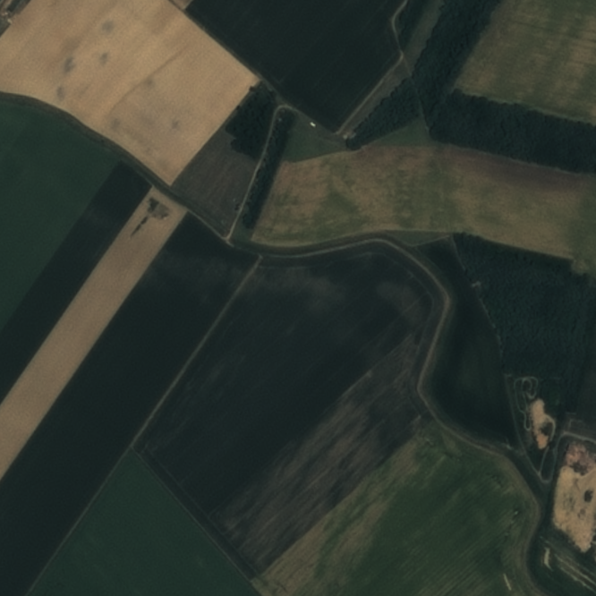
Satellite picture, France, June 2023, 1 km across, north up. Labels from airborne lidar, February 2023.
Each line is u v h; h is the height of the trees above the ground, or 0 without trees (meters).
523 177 0
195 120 0
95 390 0
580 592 0
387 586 0
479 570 0
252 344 0
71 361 0
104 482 0
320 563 0
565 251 0
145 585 0
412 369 0
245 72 0
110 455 0
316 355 0
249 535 0
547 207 0
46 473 0
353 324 0
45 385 0
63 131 0
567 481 0
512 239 0
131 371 0
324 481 0
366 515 0
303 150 0
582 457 0
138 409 0
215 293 0
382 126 11
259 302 0
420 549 0
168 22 0
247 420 0
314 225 0
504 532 0
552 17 0
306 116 0
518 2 0
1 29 0
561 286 16
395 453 0
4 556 0
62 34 0
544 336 17
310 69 0
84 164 0
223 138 0
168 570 0
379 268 0
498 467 0
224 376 0
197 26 0
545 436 0
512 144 13
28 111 0
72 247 0
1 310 0
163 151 0
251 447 0
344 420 0
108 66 0
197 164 0
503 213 0
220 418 0
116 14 0
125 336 0
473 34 13
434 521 0
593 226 0
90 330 0
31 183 0
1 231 0
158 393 0
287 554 0
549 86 0
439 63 9
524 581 0
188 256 0
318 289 0
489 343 0
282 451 0
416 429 0
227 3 0
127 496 0
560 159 14
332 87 0
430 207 0
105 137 0
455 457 0
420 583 0
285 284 0
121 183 0
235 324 0
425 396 0
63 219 0
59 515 0
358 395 0
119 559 0
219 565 0
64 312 0
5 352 0
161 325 0
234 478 0
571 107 0
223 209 0
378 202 0
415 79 14
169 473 0
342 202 0
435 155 0
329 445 0
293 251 0
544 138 12
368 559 0
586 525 0
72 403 0
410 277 0
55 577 0
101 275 0
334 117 0
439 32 9
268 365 0
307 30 0
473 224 0
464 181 0
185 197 0
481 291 14
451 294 0
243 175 0
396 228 0
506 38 0
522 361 12
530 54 0
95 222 0
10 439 0
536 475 0
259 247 0
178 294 0
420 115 17
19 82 0
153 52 0
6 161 0
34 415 0
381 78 0
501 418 0
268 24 0
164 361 0
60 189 0
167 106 0
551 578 0
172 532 0
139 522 0
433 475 0
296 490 0
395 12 0
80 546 0
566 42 0
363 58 0
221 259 0
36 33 0
